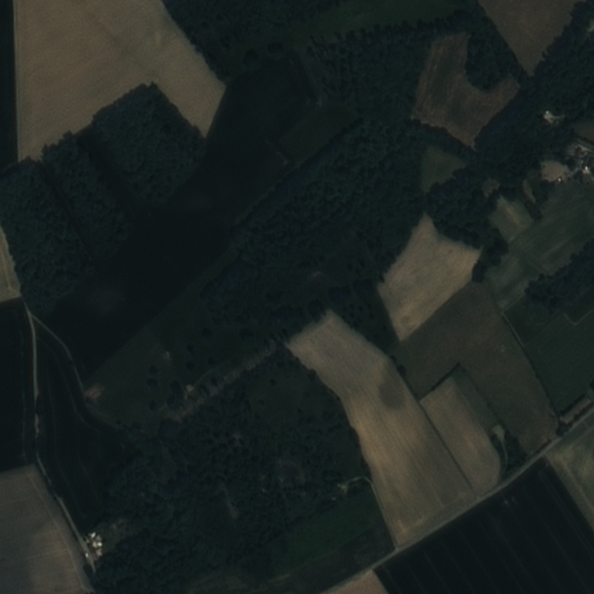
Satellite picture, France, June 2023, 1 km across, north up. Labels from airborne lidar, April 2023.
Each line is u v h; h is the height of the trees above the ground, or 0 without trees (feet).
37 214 79
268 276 90
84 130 0
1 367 0
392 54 100
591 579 0
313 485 27
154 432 0
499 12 0
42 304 73
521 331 0
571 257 0
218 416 41
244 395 30
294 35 0
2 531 0
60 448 0
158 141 84
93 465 0
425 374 0
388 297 0
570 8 0
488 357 0
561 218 0
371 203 89
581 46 79
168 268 0
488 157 70
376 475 0
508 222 0
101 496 0
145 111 72
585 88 68
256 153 0
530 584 0
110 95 0
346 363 0
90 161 95
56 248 83
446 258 0
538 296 43
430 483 0
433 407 0
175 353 0
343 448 0
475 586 0
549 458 0
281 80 0
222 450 30
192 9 81
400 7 0
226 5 91
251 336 67
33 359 0
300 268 90
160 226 0
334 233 93
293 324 77
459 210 93
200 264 0
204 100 0
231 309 90
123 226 34
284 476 0
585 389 0
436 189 64
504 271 0
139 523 55
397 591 0
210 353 0
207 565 72
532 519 0
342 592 0
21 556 0
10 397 0
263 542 31
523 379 0
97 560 29
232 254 0
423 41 76
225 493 37
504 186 55
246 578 0
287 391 0
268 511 25
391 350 0
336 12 0
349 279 0
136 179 69
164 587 80
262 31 75
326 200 87
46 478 31
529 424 0
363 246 0
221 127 0
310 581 0
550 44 0
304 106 0
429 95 0
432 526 0
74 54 0
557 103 49
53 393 0
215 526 66
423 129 70
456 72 0
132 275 0
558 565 0
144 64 0
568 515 0
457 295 0
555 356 0
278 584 0
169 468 0
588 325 0
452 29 57
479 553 0
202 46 76
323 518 0
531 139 68
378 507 0
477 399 0
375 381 0
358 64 85
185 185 0
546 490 0
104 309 0
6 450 0
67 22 0
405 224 72
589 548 0
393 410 0
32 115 0
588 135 0
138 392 0
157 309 0
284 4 84
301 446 28
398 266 0
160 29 0
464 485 0
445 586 0
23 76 0
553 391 0
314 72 0
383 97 88
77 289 0
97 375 0
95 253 0
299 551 0
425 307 0
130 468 55
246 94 0
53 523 0
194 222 0
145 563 79
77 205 66
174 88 0
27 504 0
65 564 0
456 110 0
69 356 0
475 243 62
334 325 0
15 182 64
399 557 0
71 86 0
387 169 89
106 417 0
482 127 0
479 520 0
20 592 0
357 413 0
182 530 95
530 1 0
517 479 0
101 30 0
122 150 81
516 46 0
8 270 0
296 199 89
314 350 0
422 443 0
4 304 0
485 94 0
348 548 0
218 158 0
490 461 0
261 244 86
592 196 0
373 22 0
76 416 0
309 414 0
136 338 0
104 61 0
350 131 39
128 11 0
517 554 0
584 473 0
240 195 0
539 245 0
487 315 0
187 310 0
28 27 0
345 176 85
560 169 0
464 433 0
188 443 81
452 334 0
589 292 0
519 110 91
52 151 51
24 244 76
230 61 0
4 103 0
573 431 0
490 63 57
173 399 53
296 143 0
